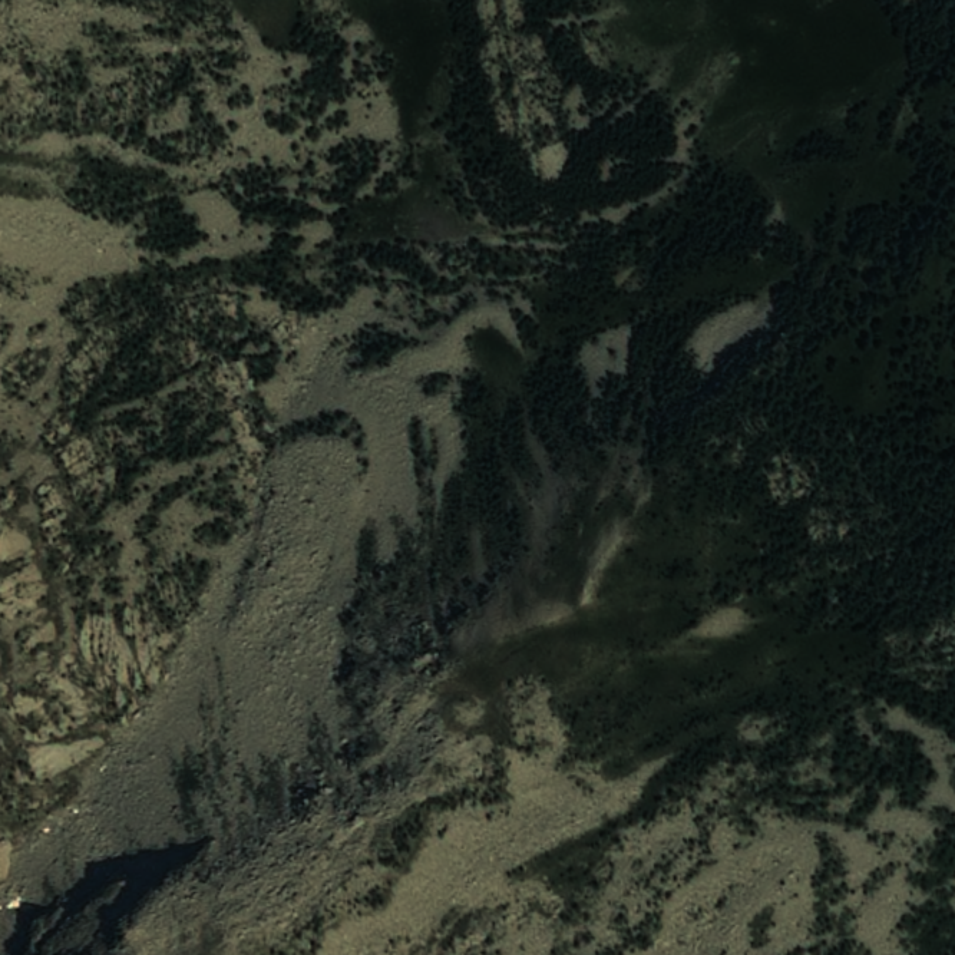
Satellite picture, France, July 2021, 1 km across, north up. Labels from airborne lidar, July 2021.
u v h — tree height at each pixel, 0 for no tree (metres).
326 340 0
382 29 0
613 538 0
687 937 0
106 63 7
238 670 0
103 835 0
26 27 0
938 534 25
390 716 0
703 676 0
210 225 0
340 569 0
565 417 8
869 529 9
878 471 13
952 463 25
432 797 8
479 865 0
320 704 0
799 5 0
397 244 7
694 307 12
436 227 0
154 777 0
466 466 11
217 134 11
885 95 0
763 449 7
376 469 0
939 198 18
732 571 9
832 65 0
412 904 0
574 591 0
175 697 0
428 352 0
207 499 8
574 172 13
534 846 0
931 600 16
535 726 0
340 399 0
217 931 0
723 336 0
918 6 15
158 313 6
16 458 0
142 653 0
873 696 9
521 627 0
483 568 0
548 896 0
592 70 10
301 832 0
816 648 0
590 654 0
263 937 0
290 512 0
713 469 8
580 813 0
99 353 0
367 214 0
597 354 0
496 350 0
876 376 0
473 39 9
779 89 0
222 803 0
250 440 0
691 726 6
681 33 0
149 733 0
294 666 0
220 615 0
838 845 0
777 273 0
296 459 0
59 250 0
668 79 0
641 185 13
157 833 0
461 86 9
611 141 16
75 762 0
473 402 10
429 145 0
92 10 0
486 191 13
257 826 0
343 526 0
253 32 0
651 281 7
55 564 8
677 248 9
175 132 8
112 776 0
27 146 0
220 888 0
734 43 0
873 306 9
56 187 0
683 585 0
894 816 0
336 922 0
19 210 0
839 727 0
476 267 11
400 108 0
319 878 0
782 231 12
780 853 0
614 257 10
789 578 12
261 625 0
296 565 0
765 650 0
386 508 0
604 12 0
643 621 0
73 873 0
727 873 0
